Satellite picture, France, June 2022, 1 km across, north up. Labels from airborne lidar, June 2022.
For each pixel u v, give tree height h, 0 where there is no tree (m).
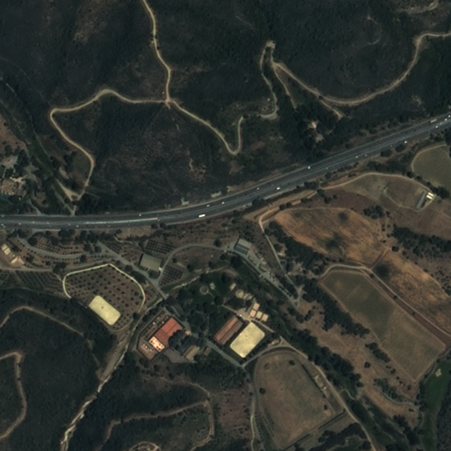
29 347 6
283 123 9
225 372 7
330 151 11
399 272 0
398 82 0
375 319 0
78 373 6
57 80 8
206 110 6
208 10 7
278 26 6
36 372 7
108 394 10
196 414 7
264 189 0
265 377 0
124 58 7
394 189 0
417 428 11
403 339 0
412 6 5
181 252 0
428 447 0
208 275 20
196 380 8
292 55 7
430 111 9
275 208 0
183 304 14
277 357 0
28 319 6
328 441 8
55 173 13
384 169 12
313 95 7
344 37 6
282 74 0
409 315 0
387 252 0
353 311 0
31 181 9
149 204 6
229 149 0
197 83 8
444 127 0
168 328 0
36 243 10
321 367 19
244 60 7
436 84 13
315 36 11
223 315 10
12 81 12
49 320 9
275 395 0
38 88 7
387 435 0
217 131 0
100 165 6
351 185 0
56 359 8
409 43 9
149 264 0
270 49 15
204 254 0
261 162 10
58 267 11
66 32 13
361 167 0
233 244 0
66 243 6
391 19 7
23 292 9
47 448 6
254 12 10
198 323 14
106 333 13
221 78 7
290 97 8
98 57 7
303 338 24
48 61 6
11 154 10
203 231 7
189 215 0
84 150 0
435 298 0
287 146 6
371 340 0
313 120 20
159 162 6
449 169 0
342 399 0
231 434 0
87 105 0
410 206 0
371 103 7
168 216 0
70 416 15
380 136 0
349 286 0
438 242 12
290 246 13
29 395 12
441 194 18
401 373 0
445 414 8
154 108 7
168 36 5
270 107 6
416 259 0
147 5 0
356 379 17
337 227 0
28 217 0
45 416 7
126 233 0
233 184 10
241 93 13
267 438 0
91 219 0
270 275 0
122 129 11
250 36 10
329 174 9
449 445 10
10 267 0
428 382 0
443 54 11
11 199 9
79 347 10
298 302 0
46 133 8
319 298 12
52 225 0
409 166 0
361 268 0
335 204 0
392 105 14
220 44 8
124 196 6
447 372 0
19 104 9
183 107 6
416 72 8
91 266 0
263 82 7
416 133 0
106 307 0
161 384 0
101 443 9
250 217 0
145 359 12
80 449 9
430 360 0
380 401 0
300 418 0
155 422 8
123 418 10
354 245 0
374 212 8
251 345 0
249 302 8
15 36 6
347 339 0
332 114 7
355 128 12
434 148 0
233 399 0
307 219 0
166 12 5
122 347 0
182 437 0
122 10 6
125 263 0
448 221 0
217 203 0
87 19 0
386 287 0
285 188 0
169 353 0
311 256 9
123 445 9
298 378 0
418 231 0
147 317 13
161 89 0
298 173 0
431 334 0
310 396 0
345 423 0
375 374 0
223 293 0
